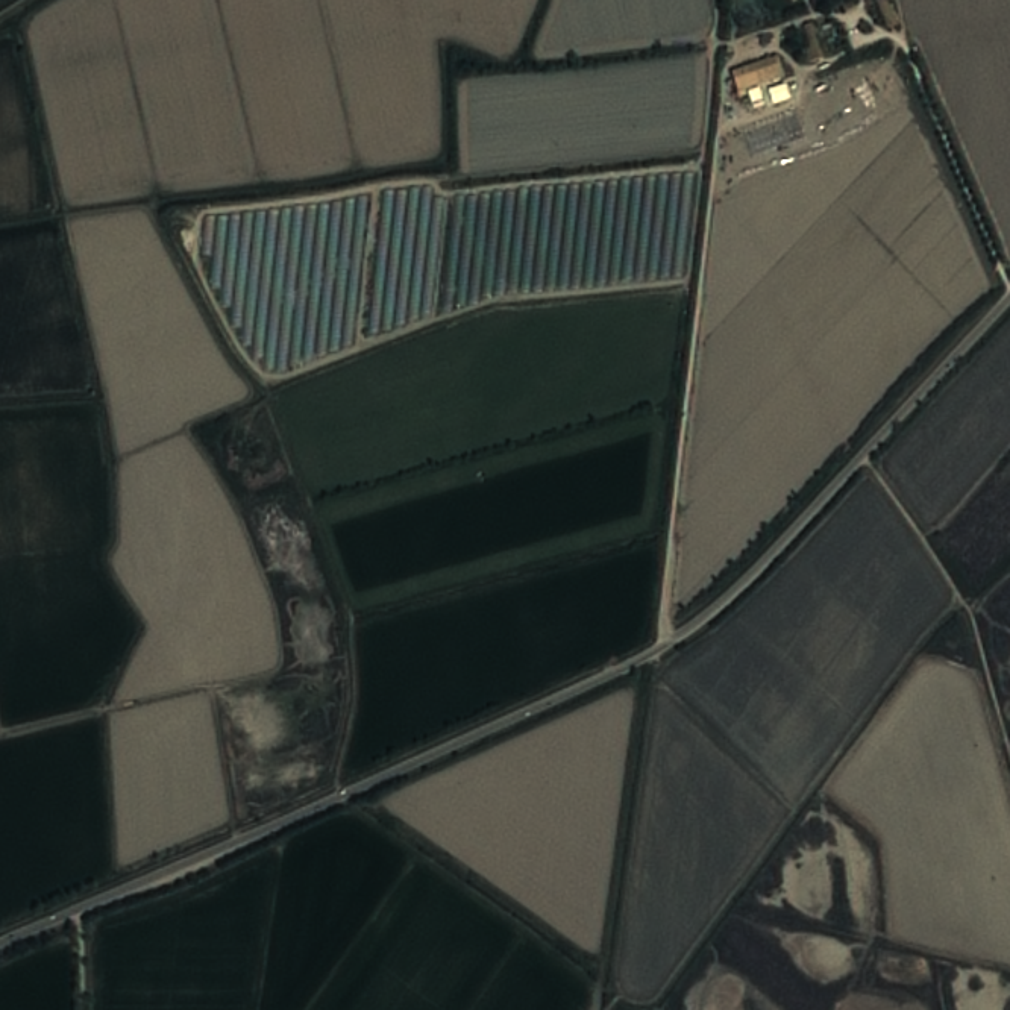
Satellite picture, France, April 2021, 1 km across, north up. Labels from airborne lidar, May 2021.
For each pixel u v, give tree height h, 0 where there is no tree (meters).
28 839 0
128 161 0
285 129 0
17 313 0
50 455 0
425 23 0
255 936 0
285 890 0
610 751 0
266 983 0
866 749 0
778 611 0
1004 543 0
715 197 0
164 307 0
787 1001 0
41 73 0
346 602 0
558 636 0
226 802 0
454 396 0
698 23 0
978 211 7
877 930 0
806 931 0
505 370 0
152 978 0
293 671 0
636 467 0
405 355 0
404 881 0
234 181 0
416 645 0
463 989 0
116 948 0
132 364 0
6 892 0
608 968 0
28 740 0
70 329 0
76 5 0
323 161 0
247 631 0
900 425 10
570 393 0
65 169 0
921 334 0
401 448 0
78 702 0
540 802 0
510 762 0
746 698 0
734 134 0
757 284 0
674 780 0
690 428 0
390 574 0
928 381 0
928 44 0
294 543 0
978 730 0
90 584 0
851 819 0
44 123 0
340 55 0
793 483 0
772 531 9
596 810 0
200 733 0
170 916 0
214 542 0
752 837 0
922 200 0
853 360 0
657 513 0
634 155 0
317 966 0
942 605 0
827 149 0
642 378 0
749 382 0
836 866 0
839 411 0
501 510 0
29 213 0
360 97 0
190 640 0
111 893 0
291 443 0
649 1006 0
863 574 0
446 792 0
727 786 0
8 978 0
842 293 0
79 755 0
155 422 0
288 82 0
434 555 0
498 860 0
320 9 0
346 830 0
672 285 0
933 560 0
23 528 0
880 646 0
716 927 0
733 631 0
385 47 0
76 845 0
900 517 0
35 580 0
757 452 0
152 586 0
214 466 0
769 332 0
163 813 0
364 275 0
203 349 0
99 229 0
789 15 7
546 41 0
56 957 0
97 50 0
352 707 0
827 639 0
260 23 0
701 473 0
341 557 0
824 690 0
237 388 0
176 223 0
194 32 0
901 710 0
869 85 0
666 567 0
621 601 0
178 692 0
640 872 0
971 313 7
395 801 0
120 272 0
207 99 0
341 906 0
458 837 0
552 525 0
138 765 0
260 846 9
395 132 0
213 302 0
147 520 0
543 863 0
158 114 0
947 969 0
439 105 0
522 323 0
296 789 0
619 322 0
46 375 0
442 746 0
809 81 0
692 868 0
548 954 0
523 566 0
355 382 0
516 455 0
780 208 0
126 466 0
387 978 0
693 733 0
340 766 0
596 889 0
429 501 0
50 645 0
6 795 0
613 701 0
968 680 0
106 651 0
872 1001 0
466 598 0
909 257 0
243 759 0
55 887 0
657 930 0
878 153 0
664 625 0
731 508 0
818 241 0
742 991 0
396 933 0
